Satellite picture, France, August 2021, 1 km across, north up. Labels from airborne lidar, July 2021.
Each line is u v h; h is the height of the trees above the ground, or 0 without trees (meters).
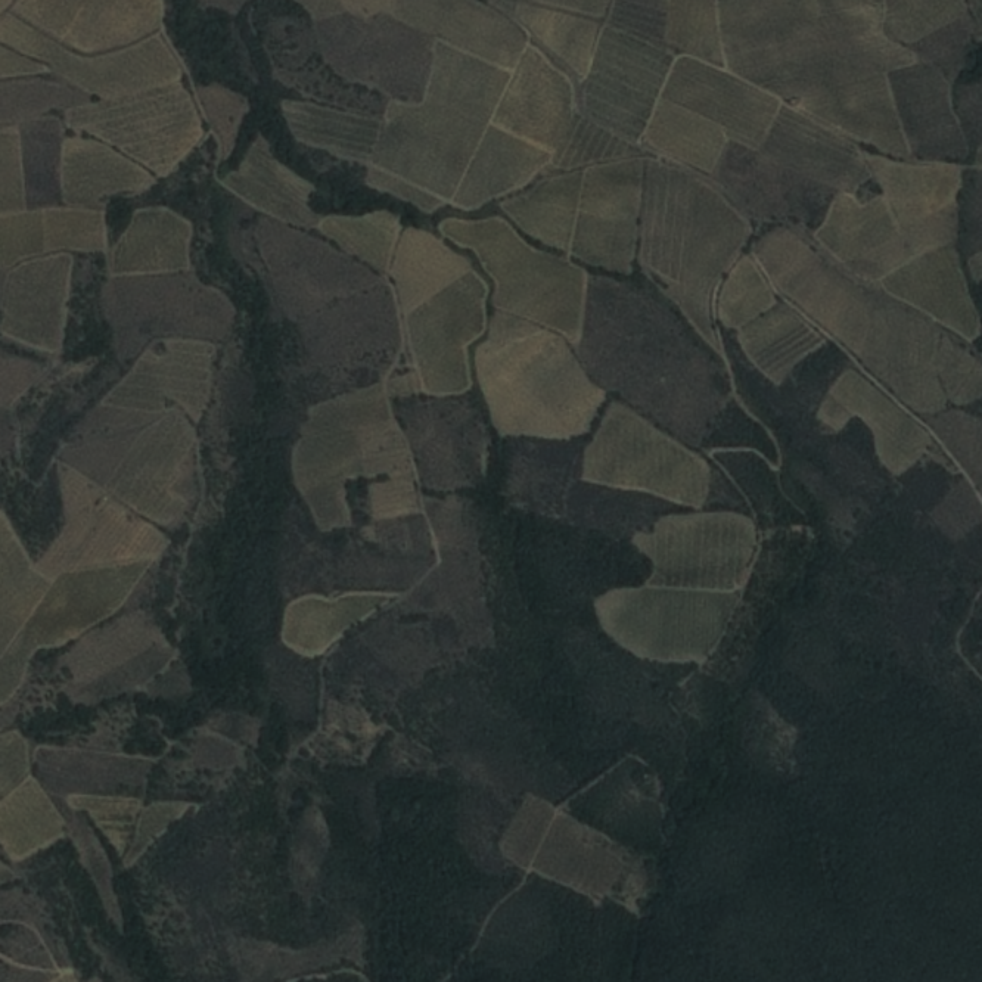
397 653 0
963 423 0
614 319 0
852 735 7
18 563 0
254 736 0
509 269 0
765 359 0
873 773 6
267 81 7
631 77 0
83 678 0
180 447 0
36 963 0
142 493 0
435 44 0
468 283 0
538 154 0
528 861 0
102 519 0
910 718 7
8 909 0
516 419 0
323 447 0
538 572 7
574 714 8
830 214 0
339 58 0
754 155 0
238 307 10
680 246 0
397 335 0
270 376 7
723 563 0
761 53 0
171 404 6
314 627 0
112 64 0
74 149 0
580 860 0
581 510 0
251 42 9
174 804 0
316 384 0
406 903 8
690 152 0
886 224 0
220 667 16
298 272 0
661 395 0
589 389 0
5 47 0
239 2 0
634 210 0
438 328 0
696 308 0
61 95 0
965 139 0
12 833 0
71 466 0
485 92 0
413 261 0
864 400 0
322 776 6
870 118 0
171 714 7
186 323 0
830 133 0
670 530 0
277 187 0
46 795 0
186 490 0
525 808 0
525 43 0
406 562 0
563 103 0
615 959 6
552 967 7
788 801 10
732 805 8
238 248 0
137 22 0
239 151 6
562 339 0
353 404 0
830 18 0
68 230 0
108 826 0
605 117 0
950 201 0
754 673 6
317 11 0
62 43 0
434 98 0
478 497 9
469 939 8
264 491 13
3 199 0
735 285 0
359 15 0
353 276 0
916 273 0
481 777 0
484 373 0
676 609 0
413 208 10
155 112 0
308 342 0
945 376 0
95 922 9
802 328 0
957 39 0
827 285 0
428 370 0
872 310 0
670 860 11
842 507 0
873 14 0
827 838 11
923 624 0
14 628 0
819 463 5
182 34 7
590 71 0
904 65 0
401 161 0
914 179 0
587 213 0
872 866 6
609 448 0
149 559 0
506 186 0
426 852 11
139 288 0
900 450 0
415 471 0
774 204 0
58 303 0
